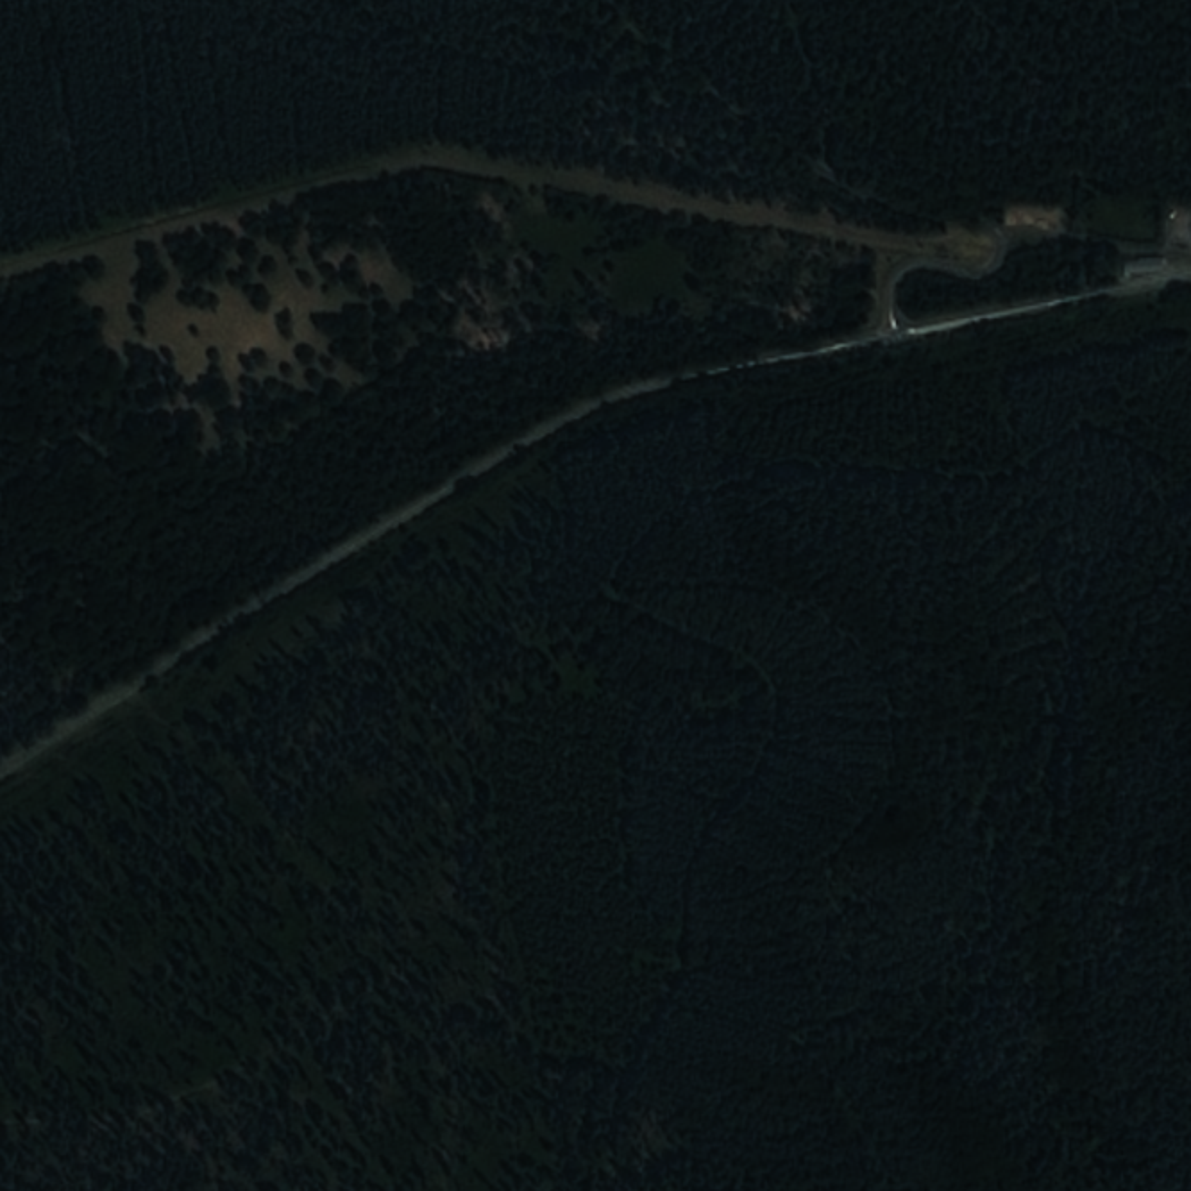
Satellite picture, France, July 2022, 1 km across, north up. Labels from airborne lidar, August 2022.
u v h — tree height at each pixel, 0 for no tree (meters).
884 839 21
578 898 12
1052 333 6
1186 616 19
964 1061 21
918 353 13
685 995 18
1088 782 30
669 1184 22
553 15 30
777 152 23
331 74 23
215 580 17
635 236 14
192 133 25
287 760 23
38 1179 30
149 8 18
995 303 7
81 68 24
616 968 11
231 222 0
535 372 23
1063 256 11
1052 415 20
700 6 30
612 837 9
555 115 14
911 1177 21
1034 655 12
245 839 29
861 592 29
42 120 20
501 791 7
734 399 8
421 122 24
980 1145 20
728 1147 24
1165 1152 21
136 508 14
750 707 20
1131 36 20
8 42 21
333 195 15
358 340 14
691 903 20
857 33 22
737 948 17
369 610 30
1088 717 25
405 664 23
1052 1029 20
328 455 15
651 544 19
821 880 19
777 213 0
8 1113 0
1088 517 23
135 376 15
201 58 28
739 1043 20
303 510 19
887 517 29
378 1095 26
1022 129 32
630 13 20
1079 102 20
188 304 10
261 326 0
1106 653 24
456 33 25
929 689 22
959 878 26
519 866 8
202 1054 0
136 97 23
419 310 14
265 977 31
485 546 27
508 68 15
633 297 0
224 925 0
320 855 29
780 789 19
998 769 10
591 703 8
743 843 21
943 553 25
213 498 17
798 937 19
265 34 20
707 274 9
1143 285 0
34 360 18
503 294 7
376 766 28
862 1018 16
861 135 28
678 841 20
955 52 23
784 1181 25
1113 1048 19
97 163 22
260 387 9
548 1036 8
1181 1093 22
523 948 10
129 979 0
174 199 24
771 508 28
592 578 18
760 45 27
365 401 7
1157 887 18
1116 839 22
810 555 26
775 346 12
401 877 31
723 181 23
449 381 23
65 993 33
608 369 24
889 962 18
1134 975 11
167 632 15
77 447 24
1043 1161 22
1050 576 27
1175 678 20
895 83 23
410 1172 6
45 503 23
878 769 18
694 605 22
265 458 13
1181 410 8
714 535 23
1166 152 20
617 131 31
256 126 20
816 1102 22
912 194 27
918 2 21
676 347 16
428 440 12
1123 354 19
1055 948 17
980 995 17
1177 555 24
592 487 22
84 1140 19
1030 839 17
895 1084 17
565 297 6
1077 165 19
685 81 24
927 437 8
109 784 0
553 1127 25
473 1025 20
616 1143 21
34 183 18
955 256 0
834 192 8
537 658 17
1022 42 26
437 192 15
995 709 20
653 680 21
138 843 33
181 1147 25
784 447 6
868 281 15
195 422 16
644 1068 20
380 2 28
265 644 0
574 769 10
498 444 11
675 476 23
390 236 12
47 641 6
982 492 14
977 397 8
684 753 22
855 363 14
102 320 9
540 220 0
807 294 16
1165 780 22
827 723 21
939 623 26
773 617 20
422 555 27
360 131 23
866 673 16
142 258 17
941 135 24
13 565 19
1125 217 0
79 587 18
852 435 12
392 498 20
